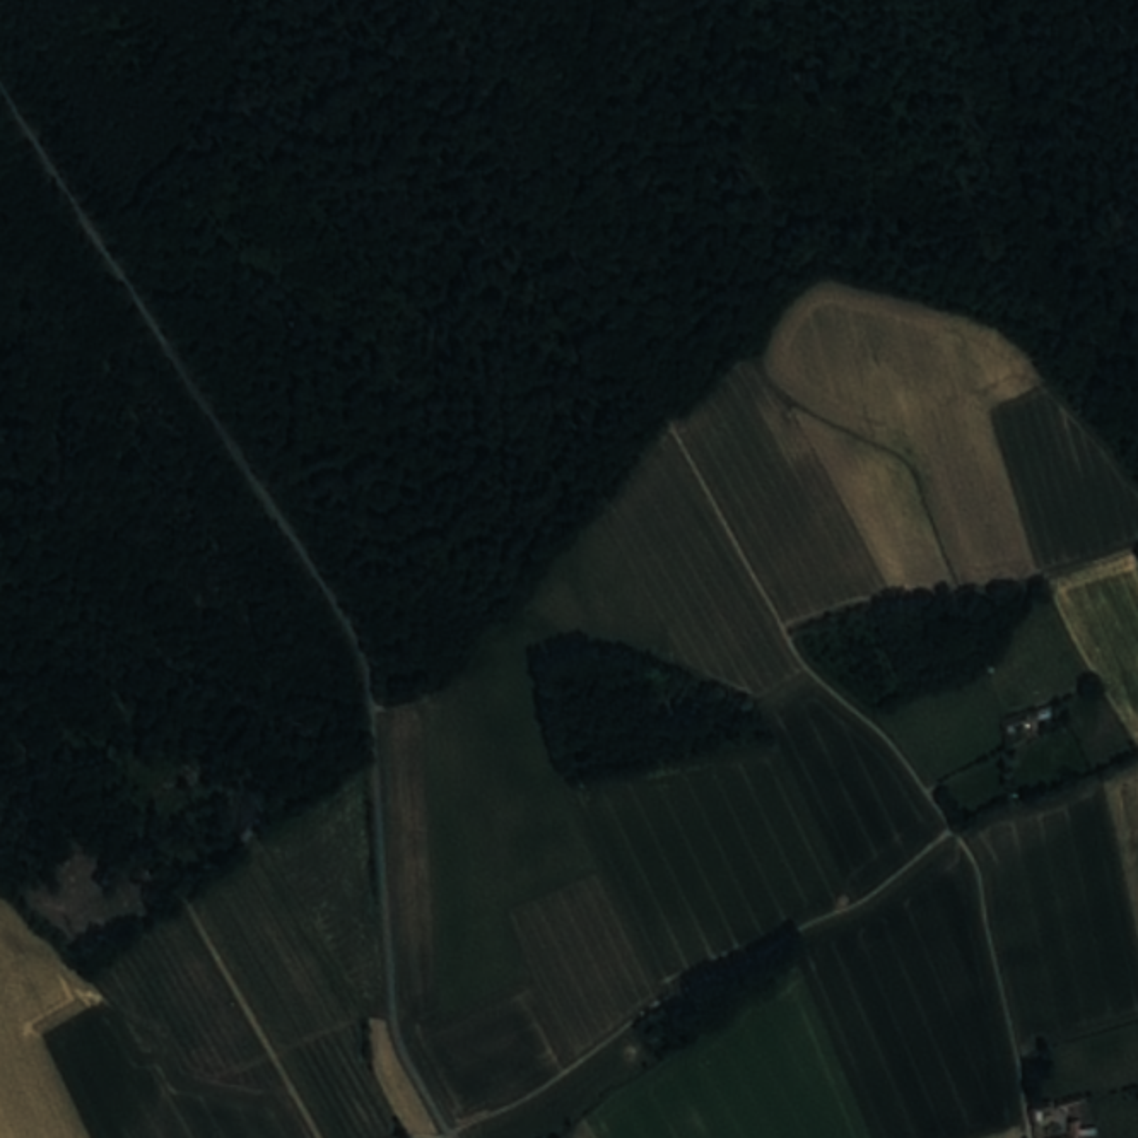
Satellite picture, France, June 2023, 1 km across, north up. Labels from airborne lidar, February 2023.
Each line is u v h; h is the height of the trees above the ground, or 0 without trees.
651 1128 0
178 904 17
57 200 20
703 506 0
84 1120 0
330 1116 0
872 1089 0
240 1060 0
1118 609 0
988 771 0
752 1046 0
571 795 0
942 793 12
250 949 0
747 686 0
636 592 0
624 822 0
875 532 0
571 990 0
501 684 0
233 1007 0
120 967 0
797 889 0
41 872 20
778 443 0
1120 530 0
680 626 0
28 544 25
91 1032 0
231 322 21
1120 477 0
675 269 25
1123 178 23
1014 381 0
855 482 0
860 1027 0
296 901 0
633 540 0
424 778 0
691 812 0
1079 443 0
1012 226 13
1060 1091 0
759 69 25
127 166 13
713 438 0
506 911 0
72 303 24
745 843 0
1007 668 0
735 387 0
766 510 0
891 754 0
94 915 0
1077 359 17
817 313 0
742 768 0
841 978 0
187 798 0
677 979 0
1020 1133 0
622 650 14
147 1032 0
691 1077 0
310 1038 0
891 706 7
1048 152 24
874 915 0
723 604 0
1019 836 0
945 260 24
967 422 0
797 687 0
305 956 0
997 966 0
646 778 0
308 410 24
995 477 0
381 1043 0
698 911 0
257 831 16
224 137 20
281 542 22
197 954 0
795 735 0
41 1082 0
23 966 0
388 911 0
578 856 0
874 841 0
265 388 22
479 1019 0
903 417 0
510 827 0
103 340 21
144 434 22
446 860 0
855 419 0
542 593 0
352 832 0
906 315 0
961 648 17
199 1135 0
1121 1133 0
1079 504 0
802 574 0
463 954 0
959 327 0
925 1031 0
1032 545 0
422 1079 0
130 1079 0
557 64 21
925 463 0
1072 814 0
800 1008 0
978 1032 0
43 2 11
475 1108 0
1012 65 24
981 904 0
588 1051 0
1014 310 14
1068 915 0
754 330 16
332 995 0
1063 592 0
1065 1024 0
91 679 21
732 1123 0
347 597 16
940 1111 0
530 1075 0
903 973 0
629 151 23
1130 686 0
